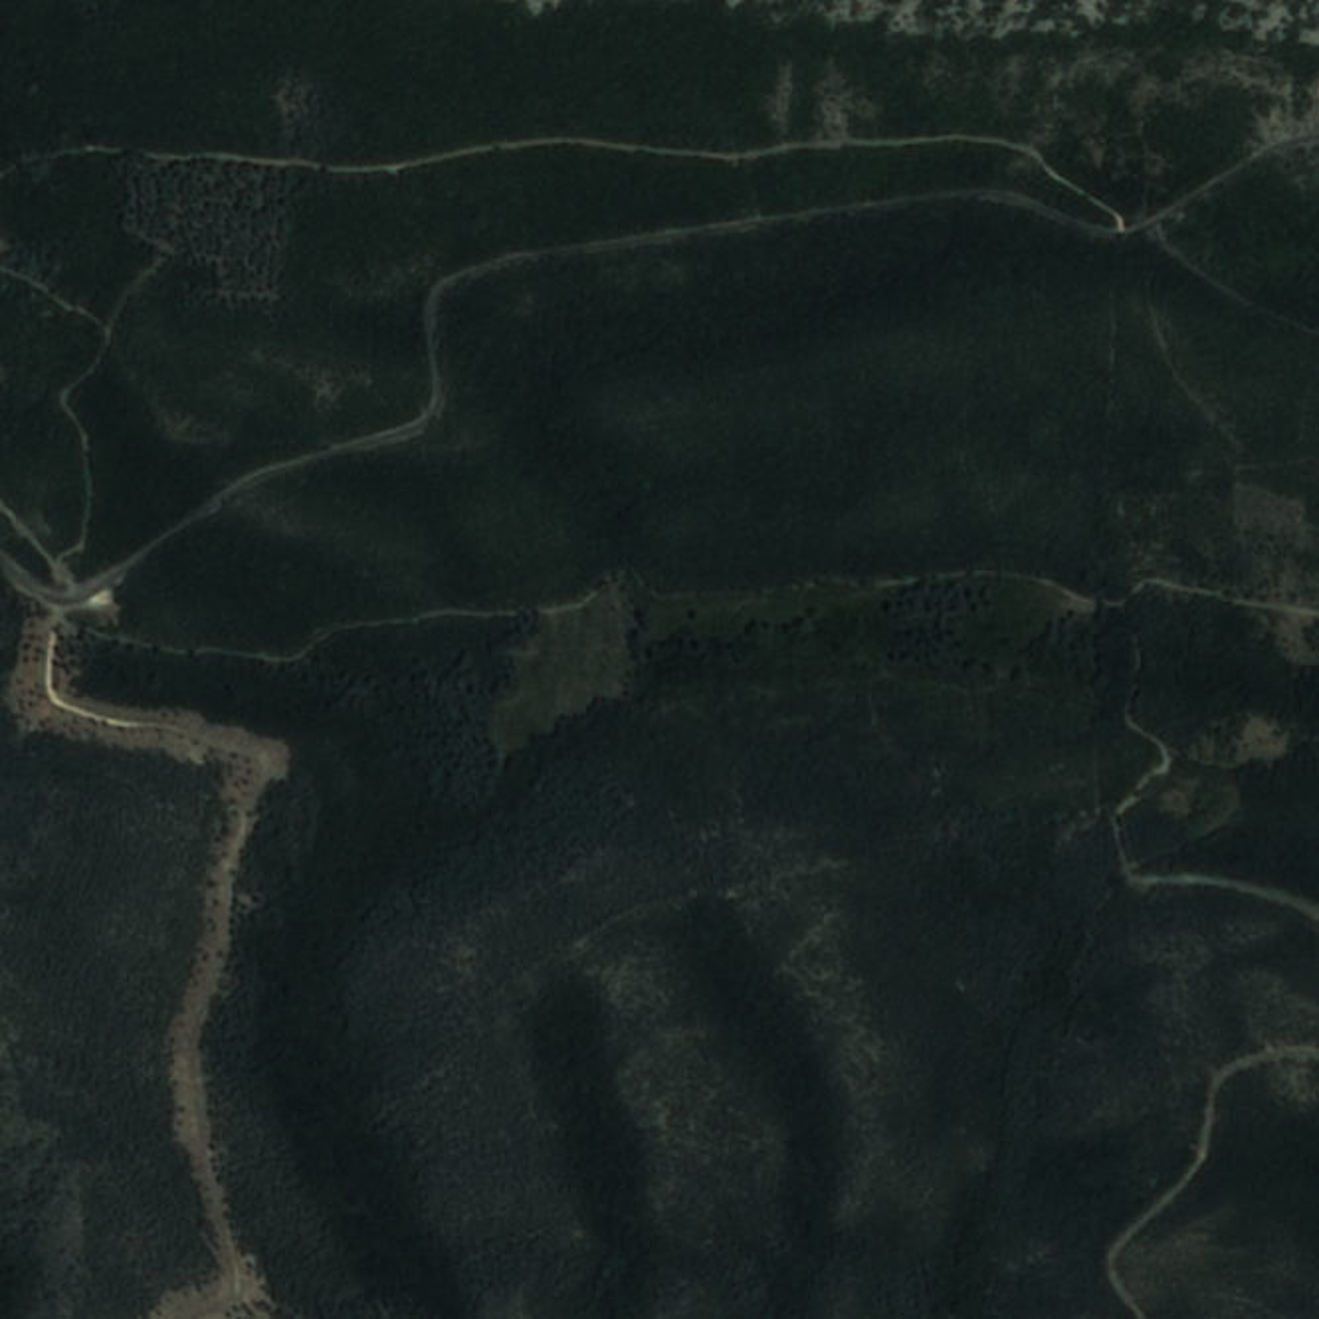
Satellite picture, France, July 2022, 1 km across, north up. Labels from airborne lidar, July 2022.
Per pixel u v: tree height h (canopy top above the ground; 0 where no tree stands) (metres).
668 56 8
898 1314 13
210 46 7
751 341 11
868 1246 6
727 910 7
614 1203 12
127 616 6
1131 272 7
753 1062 6
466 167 8
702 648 19
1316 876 5
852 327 6
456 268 8
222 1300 0
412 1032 6
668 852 9
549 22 7
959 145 5
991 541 7
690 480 7
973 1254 13
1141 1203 6
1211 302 6
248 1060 8
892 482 6
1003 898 6
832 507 8
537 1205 6
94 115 9
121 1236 7
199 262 13
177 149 8
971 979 11
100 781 8
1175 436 7
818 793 6
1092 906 6
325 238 6
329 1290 8
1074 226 6
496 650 16
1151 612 10
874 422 7
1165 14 6
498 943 7
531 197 7
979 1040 6
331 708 15
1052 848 8
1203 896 6
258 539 8
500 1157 6
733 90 8
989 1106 8
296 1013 6
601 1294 9
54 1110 7
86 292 5
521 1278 6
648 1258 8
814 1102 12
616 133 7
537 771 10
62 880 7
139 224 10
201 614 5
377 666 5
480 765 16
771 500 7
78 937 7
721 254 8
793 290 9
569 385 9
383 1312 18
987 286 6
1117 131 6
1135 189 7
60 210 6
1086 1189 6
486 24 9
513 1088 6
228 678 6
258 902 15
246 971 16
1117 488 6
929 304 8
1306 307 8
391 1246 14
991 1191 12
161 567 9
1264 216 7
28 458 6
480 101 8
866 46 7
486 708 18
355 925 6
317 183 12
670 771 6
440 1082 6
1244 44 6
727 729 5
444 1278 10
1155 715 8
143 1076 6
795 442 5
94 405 6
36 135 10
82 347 7
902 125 6
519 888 7
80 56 9
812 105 5
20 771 7
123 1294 9
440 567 7
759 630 18
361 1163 11
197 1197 6
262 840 9
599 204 6
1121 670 7
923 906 7
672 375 7
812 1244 9
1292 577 0
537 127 6
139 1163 8
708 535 6
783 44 6
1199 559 8
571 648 0
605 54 8
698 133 6
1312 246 6
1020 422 7
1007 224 9
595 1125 10
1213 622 6
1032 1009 12
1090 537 6
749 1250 6
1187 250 5
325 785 6
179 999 7
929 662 10
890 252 10
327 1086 12
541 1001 7
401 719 6
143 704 8
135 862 8
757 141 6
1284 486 6
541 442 8
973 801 6
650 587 12
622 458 9
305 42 6
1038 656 7
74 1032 7
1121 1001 8
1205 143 5
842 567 9
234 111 6
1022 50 6
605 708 11
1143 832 7
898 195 6
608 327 10
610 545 11
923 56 6
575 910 6
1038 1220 6
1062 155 6
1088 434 6
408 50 7
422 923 6
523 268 6
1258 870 7
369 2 7
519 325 6
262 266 14
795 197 6
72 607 0
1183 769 8
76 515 6
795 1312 10
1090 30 6
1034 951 9
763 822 6
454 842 9
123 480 6
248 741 0
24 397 6
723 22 7
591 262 7
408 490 8
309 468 6
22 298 9
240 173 14
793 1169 9
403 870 7
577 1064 11
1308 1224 8
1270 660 8
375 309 6
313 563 7
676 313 7
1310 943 5
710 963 13
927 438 6
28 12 12
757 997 12
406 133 6
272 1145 11
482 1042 6
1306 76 6
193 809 6
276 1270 11
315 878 5
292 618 7
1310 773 10
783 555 8
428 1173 9
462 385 6
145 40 7
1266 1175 7
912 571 10
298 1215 8
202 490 5
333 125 11
